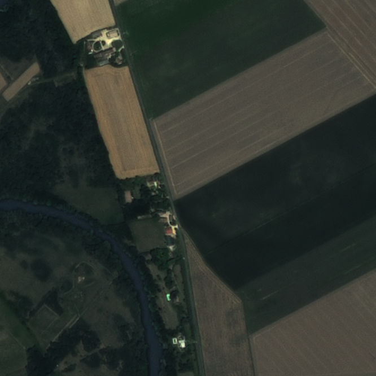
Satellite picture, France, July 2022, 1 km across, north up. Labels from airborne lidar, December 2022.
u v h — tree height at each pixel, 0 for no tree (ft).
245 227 0
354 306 0
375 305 0
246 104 0
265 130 0
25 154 28
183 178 0
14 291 0
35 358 50
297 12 0
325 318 0
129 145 0
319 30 0
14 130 24
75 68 57
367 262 0
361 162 0
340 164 0
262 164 0
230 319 0
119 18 0
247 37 0
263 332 0
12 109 26
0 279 0
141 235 0
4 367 0
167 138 0
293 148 0
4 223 63
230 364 0
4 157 25
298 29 0
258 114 0
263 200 0
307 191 0
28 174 34
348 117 0
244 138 0
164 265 42
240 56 0
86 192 0
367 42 0
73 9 0
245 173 0
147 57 0
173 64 0
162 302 0
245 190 0
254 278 0
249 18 0
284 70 0
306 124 0
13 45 35
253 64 0
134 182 19
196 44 0
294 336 0
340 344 0
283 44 0
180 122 0
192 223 0
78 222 0
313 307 0
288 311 0
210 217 0
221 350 0
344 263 0
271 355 0
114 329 0
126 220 23
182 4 0
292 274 0
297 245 0
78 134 31
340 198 0
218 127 0
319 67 0
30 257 0
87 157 22
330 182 0
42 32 45
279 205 0
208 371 0
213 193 0
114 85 0
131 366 23
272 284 0
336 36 0
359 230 0
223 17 0
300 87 0
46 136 28
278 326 0
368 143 0
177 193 0
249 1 0
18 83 0
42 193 21
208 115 0
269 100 0
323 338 0
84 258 0
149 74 0
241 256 0
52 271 0
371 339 0
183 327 27
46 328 0
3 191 35
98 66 0
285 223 0
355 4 0
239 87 0
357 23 0
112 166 40
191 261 0
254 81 0
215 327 0
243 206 0
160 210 0
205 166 0
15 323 0
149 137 0
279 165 0
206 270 0
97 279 0
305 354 0
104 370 0
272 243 0
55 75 31
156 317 48
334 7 0
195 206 0
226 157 0
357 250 0
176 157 0
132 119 0
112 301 0
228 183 0
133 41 0
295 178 0
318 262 0
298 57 0
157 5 0
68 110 37
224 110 0
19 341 0
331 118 0
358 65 0
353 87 0
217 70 0
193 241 0
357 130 0
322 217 0
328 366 0
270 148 0
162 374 75
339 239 0
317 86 0
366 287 0
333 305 0
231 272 0
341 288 0
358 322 0
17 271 0
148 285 55
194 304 0
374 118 0
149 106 0
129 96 0
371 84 0
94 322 0
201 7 0
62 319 0
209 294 0
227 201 0
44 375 36
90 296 0
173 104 0
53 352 50
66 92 34
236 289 0
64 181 19
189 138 0
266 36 0
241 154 0
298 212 0
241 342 0
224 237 0
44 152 31
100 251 80
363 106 0
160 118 0
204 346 0
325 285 0
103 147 38
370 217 0
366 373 0
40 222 49
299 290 0
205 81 0
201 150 0
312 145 0
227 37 0
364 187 0
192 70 0
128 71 0
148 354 0
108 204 0
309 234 0
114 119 0
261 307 0
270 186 0
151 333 0
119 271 29
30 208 0
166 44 0
